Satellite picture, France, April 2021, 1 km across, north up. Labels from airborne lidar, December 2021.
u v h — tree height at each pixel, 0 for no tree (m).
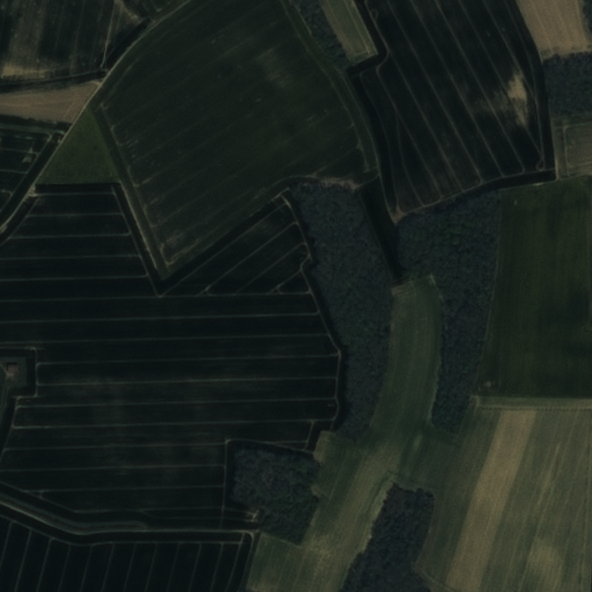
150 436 0
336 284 24
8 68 0
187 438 0
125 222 0
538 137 0
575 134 0
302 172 0
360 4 0
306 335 0
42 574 0
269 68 0
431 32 0
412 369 0
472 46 0
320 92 0
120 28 0
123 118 0
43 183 0
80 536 0
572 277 0
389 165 0
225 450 0
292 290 0
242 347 0
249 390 0
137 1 0
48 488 0
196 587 0
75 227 0
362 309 28
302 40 0
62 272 0
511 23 0
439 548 0
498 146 0
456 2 0
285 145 0
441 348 0
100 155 0
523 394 0
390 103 0
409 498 9
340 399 0
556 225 0
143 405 0
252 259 0
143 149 0
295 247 0
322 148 0
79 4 0
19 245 0
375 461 0
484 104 0
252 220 0
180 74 0
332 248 25
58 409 0
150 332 0
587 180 0
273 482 12
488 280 22
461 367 23
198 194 0
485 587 0
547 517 0
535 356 0
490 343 0
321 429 0
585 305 0
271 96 0
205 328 0
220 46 0
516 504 0
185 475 0
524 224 0
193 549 0
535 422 0
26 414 0
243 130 0
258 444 0
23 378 0
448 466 0
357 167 0
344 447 0
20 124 0
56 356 0
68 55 0
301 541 10
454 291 27
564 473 0
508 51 0
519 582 0
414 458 0
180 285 0
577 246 0
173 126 0
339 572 0
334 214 31
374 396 23
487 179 0
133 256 0
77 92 0
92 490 0
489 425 0
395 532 15
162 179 0
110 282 0
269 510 22
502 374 0
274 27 0
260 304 0
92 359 0
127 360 0
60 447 0
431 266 22
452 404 18
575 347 0
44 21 0
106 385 0
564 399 0
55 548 0
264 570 0
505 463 0
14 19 0
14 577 0
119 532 0
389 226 0
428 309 0
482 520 0
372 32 0
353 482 0
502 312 0
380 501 0
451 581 0
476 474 0
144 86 0
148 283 0
